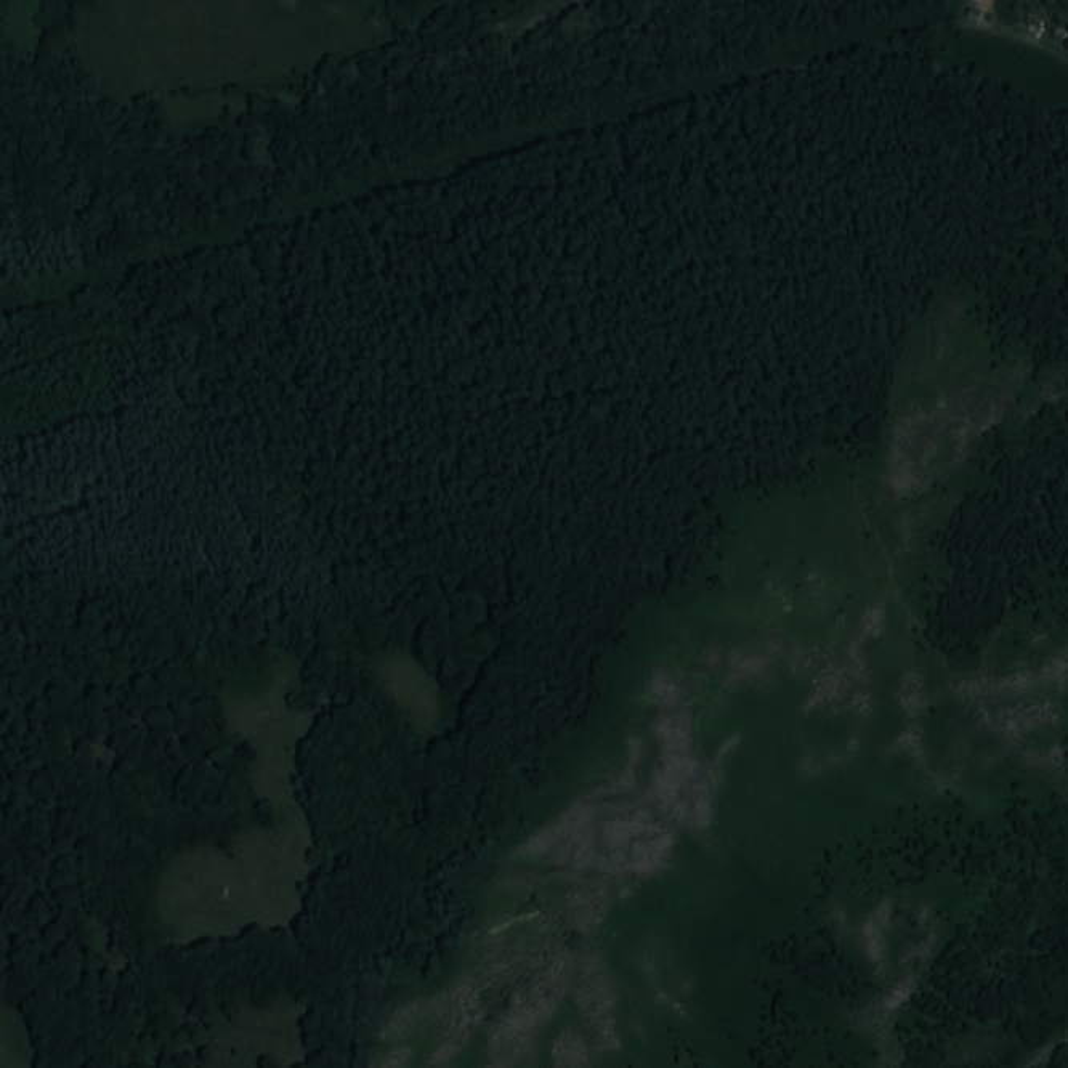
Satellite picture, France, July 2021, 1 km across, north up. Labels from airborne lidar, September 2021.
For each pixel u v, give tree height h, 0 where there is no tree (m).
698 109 22
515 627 29
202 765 23
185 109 0
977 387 0
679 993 0
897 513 0
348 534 8
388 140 26
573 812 0
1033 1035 19
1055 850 8
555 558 20
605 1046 0
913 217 17
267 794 0
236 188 14
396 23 10
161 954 25
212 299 11
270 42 0
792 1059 20
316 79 7
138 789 24
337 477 23
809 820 0
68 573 34
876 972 0
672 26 23
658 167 21
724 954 0
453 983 0
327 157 20
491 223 23
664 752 0
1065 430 13
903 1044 13
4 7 7
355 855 28
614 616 16
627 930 0
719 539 13
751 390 24
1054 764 0
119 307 11
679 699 0
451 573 27
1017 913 16
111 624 15
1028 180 20
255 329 22
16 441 11
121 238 26
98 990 20
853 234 14
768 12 23
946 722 0
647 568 18
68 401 9
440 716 0
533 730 18
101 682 10
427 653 22
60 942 18
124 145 21
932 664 0
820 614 0
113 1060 24
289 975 28
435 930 10
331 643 24
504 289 24
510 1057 0
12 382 11
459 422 19
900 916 8
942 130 18
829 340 21
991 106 22
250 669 8
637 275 9
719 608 0
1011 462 13
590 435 22
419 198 27
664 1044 0
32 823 17
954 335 0
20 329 7
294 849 0
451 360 25
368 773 25
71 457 34
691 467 23
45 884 16
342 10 0
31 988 22
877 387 17
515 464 24
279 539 22
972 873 14
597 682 13
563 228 23
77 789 23
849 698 0
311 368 17
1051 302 17
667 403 18
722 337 23
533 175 27
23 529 22
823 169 19
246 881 0
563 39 23
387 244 23
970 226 16
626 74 23
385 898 23
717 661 0
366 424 15
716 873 0
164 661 16
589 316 24
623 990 0
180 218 19
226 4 0
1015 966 21
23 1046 0
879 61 16
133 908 26
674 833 0
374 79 19
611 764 0
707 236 20
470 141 18
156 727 26
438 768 26
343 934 27
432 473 25
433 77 20
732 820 0
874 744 0
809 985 13
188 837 18
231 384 8
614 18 17
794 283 20
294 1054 0
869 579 0
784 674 0
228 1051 0
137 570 34
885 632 0
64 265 27
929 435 0
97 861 23
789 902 0
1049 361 17
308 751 23
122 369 18
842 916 0
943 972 12
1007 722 0
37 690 24
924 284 12
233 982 25
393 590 17
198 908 0
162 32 0
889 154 15
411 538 21
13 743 21
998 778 0
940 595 11
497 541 26
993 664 0
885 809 0
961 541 16
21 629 20
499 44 24
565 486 26
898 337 18
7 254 30
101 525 32
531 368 24
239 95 15
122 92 0
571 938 12
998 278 21
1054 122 14
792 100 22
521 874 0
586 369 14
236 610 22
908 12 14
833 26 18
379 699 23
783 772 0
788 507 0
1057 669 0
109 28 0
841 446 13
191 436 31
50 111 14
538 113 22
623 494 27
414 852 24
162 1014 11
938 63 16
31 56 10
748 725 0
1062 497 22
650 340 20
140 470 36
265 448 25
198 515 31
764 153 24
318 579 26
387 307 25
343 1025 19
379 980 10
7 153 23
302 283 27
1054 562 18
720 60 19
